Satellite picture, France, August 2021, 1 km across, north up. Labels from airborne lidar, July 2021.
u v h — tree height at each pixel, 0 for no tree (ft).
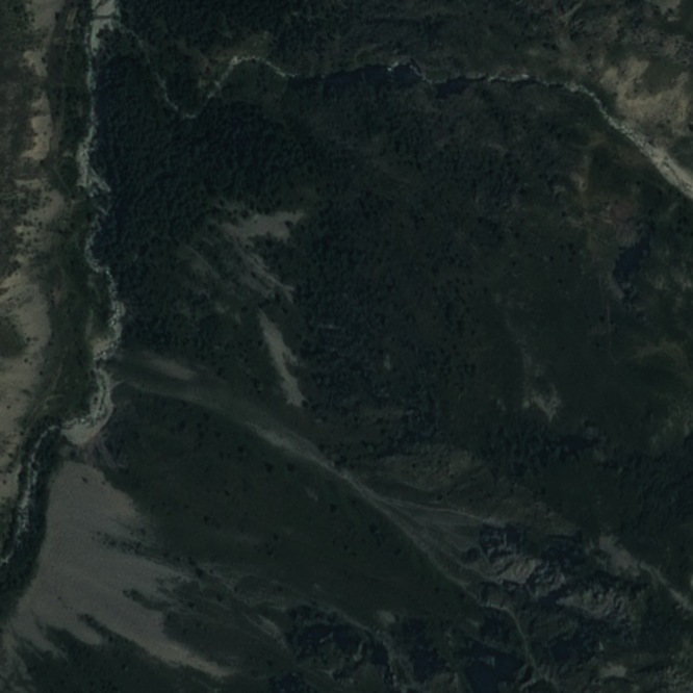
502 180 24
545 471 0
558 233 0
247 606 0
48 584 0
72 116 44
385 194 0
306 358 33
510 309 0
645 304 0
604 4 0
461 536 0
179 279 0
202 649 0
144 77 80
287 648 0
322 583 0
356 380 0
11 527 43
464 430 0
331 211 18
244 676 0
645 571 0
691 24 0
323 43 33
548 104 0
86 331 0
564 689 0
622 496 0
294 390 0
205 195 45
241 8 47
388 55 34
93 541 0
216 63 28
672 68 0
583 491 0
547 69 0
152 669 0
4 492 0
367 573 0
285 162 52
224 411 0
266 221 0
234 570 0
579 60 0
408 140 26
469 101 0
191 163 67
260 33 57
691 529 0
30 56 0
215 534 0
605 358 0
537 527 0
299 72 29
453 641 0
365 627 0
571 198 0
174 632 0
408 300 0
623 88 0
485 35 0
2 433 0
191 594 0
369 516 0
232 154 69
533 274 0
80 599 0
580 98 0
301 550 0
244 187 61
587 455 0
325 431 0
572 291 0
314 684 0
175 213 89
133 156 88
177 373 0
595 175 0
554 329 0
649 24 0
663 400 0
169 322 20
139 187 87
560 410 0
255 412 0
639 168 0
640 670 0
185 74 21
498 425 0
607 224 0
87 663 0
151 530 0
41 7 0
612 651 0
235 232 0
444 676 0
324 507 0
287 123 19
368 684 0
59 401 0
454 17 0
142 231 91
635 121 0
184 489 0
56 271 0
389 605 0
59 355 0
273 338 0
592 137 0
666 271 0
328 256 32
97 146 19
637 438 0
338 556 0
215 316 19
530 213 0
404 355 0
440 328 0
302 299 37
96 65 36
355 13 25
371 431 0
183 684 0
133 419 0
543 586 0
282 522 0
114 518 0
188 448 0
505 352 0
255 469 0
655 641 0
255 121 58
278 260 31
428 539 0
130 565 0
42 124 0
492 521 0
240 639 0
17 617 0
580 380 0
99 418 0
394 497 0
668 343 0
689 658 0
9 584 21
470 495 0
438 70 30
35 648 0
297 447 0
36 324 0
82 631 0
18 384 0
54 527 0
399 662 0
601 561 0
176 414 0
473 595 0
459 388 20
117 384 0
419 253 0
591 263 0
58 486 0
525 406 0
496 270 0
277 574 0
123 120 110
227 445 0
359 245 0
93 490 0
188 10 73
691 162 0
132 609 0
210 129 49
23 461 35
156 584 0
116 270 98
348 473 0
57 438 38
